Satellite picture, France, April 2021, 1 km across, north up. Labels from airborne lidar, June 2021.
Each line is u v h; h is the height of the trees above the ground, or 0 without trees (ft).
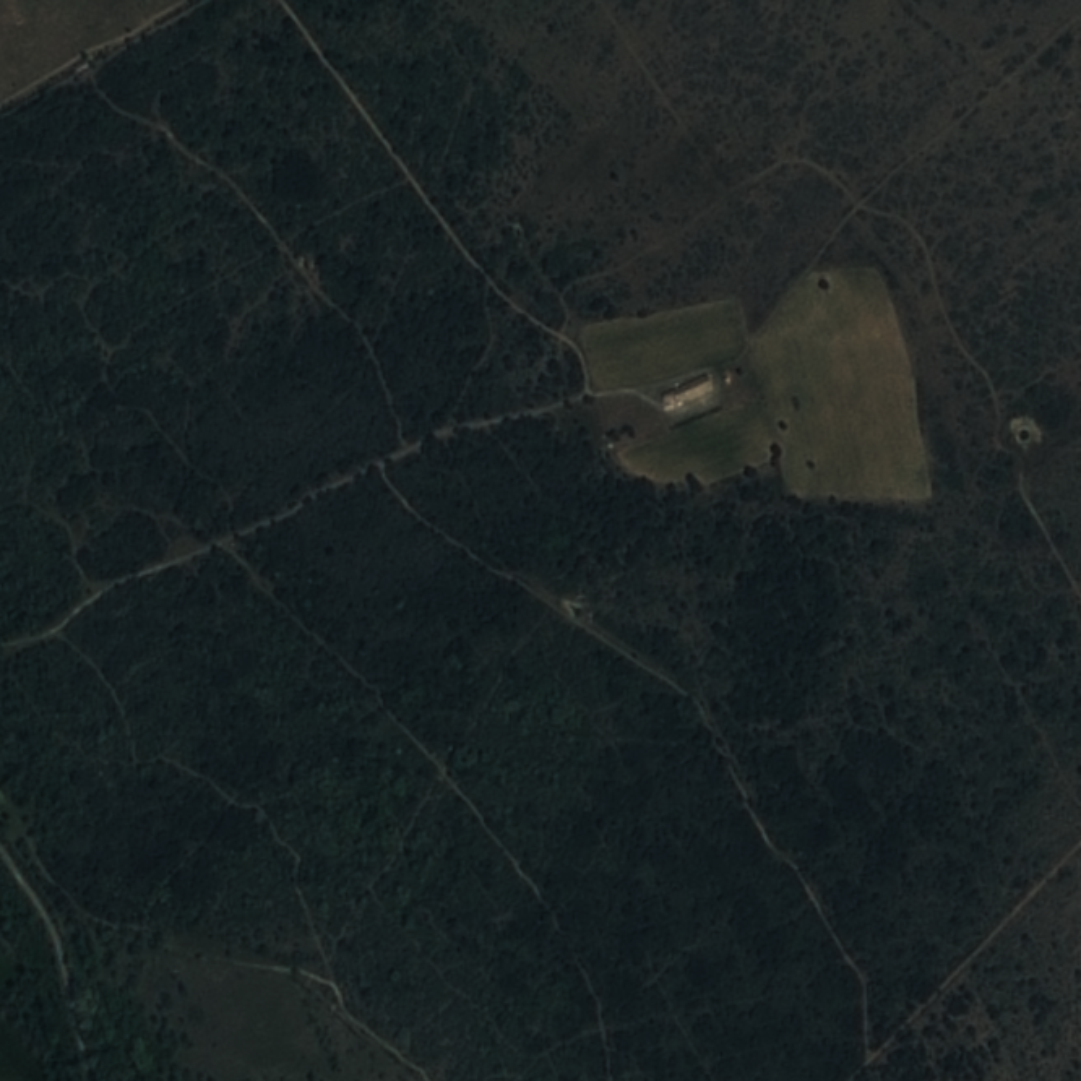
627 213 0
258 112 18
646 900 18
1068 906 0
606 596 0
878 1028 20
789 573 25
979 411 0
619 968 19
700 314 0
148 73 19
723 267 0
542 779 28
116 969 22
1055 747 0
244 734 19
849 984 17
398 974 23
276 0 0
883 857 21
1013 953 0
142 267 31
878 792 17
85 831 20
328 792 31
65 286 18
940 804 20
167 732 30
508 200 0
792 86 0
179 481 21
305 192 24
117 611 29
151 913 20
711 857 18
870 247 0
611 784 19
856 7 0
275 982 0
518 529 20
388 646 18
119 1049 24
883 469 0
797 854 32
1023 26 0
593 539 18
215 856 17
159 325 17
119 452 18
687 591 0
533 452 19
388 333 23
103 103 17
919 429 0
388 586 19
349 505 19
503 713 24
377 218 28
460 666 18
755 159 0
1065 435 0
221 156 22
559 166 0
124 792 22
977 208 0
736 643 19
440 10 0
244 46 23
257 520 25
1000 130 0
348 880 21
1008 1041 0
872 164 0
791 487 0
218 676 24
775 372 0
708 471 0
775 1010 18
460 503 23
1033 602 0
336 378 20
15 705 28
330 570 19
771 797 20
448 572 17
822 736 0
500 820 23
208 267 23
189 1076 36
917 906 0
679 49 0
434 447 28
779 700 25
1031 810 0
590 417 0
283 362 18
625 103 0
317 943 0
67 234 20
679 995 18
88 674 20
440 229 23
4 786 36
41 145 20
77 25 0
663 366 0
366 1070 0
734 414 0
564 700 34
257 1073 0
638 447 0
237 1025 0
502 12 0
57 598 37
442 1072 0
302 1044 0
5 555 33
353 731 17
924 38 0
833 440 0
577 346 0
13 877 37
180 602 20
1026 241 0
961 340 0
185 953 0
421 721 26
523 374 0
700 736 24
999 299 0
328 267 29
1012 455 0
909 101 0
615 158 0
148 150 22
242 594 19
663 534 19
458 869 25
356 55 0
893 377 0
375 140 0
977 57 0
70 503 21
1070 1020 0
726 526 23
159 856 19
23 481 34
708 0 0
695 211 0
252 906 20
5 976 0
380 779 25
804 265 0
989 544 0
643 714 20
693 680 0
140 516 20
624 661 20
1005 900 0
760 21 0
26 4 0
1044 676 0
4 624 34
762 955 21
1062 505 0
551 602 0
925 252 0
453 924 32
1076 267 0
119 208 19
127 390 20
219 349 18
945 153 0
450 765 22
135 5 0
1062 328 0
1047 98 0
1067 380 0
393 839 34
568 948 20
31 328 27
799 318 0
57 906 21
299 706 20
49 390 24
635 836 18
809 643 18
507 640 0
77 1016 51
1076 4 0
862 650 0
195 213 21
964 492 0
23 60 0
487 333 0
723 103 0
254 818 32
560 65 0
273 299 20
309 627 19
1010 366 0
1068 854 0
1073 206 0
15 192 25
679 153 0
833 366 0
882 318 0
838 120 0
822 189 0
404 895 38
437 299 19
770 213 0
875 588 0
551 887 24
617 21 0
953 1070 20
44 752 45
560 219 0
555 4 0
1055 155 0
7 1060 0
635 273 0
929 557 0
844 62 0
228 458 24
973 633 0
